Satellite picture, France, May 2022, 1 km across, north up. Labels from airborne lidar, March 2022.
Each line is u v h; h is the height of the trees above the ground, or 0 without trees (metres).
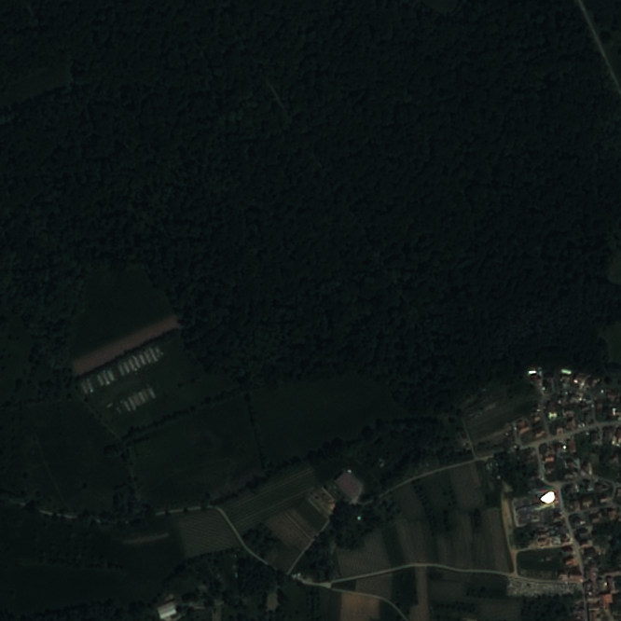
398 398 23
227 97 31
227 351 34
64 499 0
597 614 0
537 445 0
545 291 29
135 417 0
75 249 32
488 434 0
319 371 29
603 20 26
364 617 0
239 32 27
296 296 30
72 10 30
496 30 28
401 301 29
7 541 0
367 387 0
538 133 28
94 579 0
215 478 0
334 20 28
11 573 0
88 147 25
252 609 0
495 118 29
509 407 0
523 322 26
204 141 28
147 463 0
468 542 0
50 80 0
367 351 29
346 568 0
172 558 0
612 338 0
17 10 30
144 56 30
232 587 0
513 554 0
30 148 30
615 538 6
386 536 0
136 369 0
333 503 0
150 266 18
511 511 0
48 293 26
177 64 28
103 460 0
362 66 28
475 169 31
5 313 0
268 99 29
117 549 0
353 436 0
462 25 27
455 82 30
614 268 0
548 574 0
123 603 0
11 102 0
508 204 30
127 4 30
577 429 0
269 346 31
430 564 0
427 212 29
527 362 25
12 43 28
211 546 0
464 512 0
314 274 30
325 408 0
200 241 26
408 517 0
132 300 0
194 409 11
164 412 0
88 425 0
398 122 24
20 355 0
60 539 0
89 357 0
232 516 0
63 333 32
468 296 32
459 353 29
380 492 0
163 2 28
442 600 0
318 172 26
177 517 0
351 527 7
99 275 0
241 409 0
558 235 32
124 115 29
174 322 0
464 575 0
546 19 30
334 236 30
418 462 12
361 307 32
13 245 33
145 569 0
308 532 0
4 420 0
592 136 24
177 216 25
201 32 32
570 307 26
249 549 0
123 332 0
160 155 29
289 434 0
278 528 0
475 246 26
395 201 30
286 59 29
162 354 0
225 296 26
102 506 0
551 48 27
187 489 0
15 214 31
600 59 17
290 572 0
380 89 30
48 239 30
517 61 26
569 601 11
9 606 0
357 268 26
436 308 29
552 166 33
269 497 0
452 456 9
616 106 26
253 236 28
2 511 0
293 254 28
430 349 24
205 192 27
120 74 31
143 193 0
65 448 0
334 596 0
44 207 34
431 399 29
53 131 33
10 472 0
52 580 0
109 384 0
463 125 29
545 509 0
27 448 0
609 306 25
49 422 0
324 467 0
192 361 6
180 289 26
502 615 0
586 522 0
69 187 34
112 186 29
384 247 27
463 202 26
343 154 27
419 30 33
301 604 0
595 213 31
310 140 27
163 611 0
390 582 0
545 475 0
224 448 0
